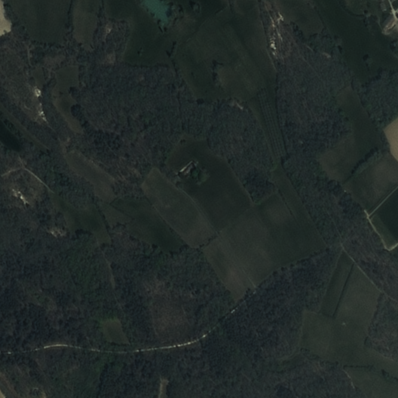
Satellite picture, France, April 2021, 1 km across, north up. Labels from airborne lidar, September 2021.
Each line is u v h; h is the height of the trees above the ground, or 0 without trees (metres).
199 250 9
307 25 0
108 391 25
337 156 0
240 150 23
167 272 15
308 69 16
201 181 7
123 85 18
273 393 18
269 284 10
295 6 0
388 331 8
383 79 21
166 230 0
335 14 0
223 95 0
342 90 12
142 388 19
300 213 0
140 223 0
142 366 20
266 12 11
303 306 20
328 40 13
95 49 8
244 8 0
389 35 0
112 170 11
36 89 0
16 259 21
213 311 20
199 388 14
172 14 22
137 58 0
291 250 0
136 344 19
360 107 0
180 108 9
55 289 16
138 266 19
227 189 0
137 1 0
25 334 9
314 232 0
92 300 21
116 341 0
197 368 8
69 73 0
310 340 0
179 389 16
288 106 10
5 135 0
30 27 0
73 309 18
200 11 0
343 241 14
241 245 0
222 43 0
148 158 20
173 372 15
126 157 9
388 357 14
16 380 22
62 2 0
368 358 0
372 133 0
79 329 10
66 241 16
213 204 0
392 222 0
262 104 8
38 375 17
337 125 14
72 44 14
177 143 16
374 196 0
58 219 14
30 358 19
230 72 0
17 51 9
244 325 19
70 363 9
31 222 15
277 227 0
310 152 14
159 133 17
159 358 17
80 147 15
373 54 0
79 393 7
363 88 13
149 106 19
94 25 0
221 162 0
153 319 12
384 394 0
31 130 20
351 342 0
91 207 0
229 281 0
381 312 14
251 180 20
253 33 0
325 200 19
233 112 14
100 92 15
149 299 11
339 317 0
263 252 0
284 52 6
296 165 23
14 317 9
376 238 18
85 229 0
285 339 18
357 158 0
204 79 0
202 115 25
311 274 18
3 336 11
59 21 0
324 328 0
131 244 16
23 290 15
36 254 17
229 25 0
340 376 15
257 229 0
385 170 0
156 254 19
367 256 12
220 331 18
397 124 0
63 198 20
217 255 0
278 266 0
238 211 0
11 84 0
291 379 12
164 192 0
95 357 20
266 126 9
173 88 9
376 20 11
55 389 22
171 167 0
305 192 19
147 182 0
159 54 0
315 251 0
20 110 8
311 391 17
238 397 16
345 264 0
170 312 0
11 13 15
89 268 23
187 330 0
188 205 0
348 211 23
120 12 0
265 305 17
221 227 0
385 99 21
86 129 21
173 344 13
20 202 8
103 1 6
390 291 11
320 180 16
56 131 13
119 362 25
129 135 19
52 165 19
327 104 16
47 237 9
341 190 22
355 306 0
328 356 0
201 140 18
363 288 0
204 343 18
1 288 17
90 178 0
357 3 0
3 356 17
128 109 16
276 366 15
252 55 0
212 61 0
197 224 0
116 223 0
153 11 0
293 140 12
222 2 0
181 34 0
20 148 0
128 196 19
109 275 16
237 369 19
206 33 0
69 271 20
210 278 11
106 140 19
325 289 12
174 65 9
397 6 0
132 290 22
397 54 22
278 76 11
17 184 8
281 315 15
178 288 12
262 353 21
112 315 21
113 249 17
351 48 0
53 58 0
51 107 18
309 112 14
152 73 13
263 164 19
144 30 0
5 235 19
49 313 9
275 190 19
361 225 20
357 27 0
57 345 10
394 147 0
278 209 0
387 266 23
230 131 17
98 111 13
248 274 0
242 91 0
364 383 0
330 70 16
